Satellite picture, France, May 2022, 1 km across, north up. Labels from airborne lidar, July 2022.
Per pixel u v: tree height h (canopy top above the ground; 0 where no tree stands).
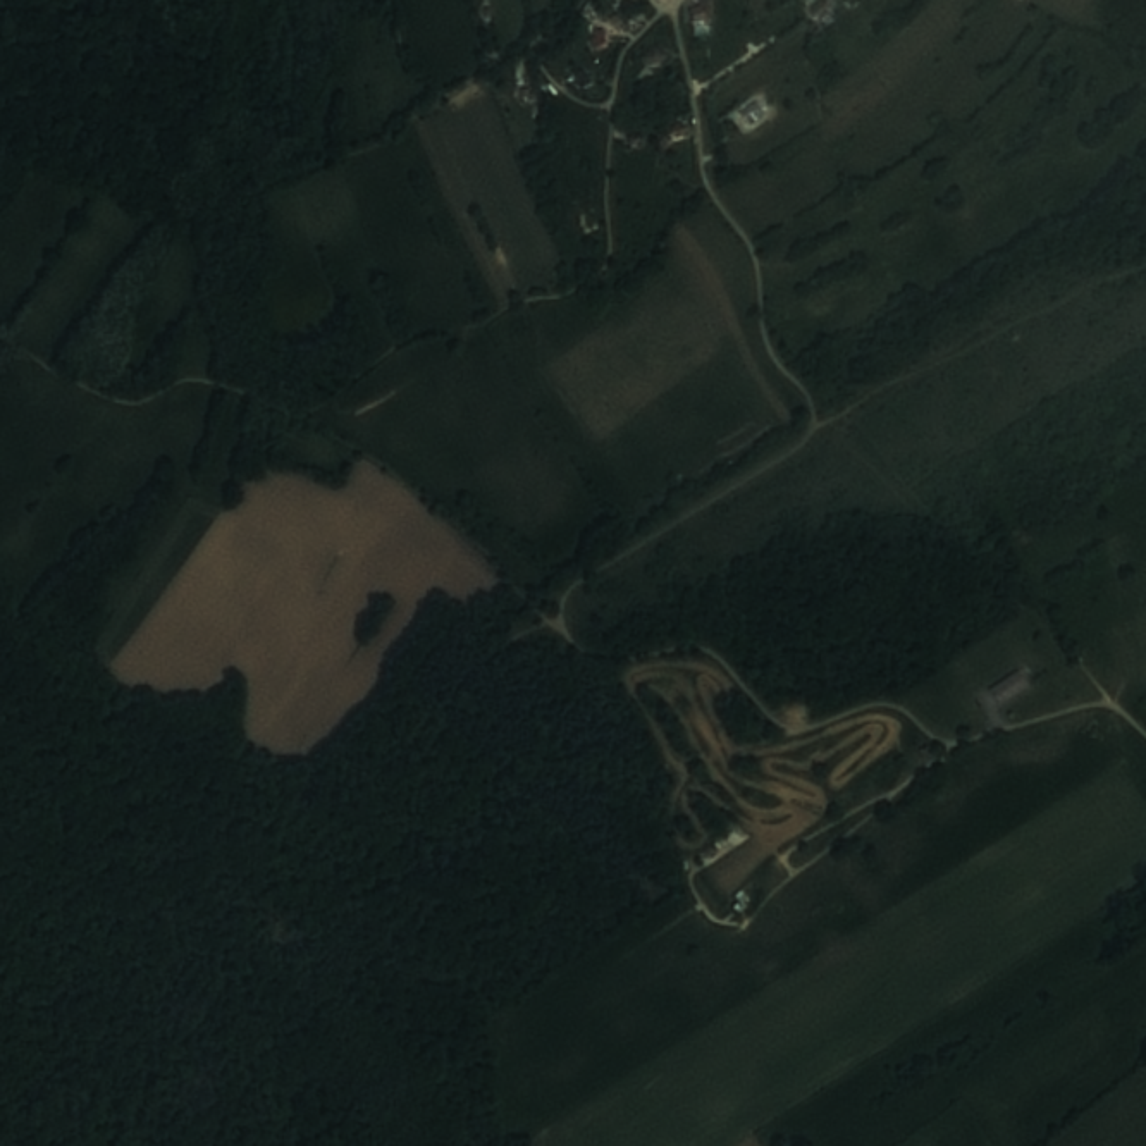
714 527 0
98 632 7
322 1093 22
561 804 21
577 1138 0
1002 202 0
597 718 23
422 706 16
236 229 15
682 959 0
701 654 14
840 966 0
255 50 9
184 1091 20
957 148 0
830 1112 0
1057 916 0
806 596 12
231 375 12
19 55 26
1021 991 0
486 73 11
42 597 17
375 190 0
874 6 0
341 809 18
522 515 0
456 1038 23
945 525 10
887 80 0
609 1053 0
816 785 0
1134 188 13
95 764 25
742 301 0
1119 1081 7
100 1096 18
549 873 22
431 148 0
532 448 0
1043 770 0
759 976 0
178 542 0
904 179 0
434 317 0
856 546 12
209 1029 14
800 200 0
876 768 0
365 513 0
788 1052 0
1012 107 0
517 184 0
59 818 20
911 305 11
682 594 11
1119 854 0
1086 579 10
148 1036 12
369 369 11
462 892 23
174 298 0
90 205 11
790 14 0
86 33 23
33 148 19
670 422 0
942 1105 0
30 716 25
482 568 0
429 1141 11
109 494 0
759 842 0
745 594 13
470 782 18
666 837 17
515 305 10
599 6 10
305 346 26
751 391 0
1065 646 10
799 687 11
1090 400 5
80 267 0
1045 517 9
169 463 16
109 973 14
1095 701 0
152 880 18
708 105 8
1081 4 0
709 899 0
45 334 0
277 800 16
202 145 22
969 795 0
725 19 0
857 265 7
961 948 0
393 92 0
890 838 0
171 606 0
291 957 17
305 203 0
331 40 21
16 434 0
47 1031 18
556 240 6
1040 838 0
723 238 0
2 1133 20
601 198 0
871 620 16
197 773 24
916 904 0
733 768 12
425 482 0
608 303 10
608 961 0
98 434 0
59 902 18
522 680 20
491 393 0
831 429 0
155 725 23
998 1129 0
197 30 27
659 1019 0
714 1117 0
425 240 0
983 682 0
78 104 27
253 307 13
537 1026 0
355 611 0
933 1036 0
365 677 0
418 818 20
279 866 15
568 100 0
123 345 25
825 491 0
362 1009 19
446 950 21
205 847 19
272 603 0
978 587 15
